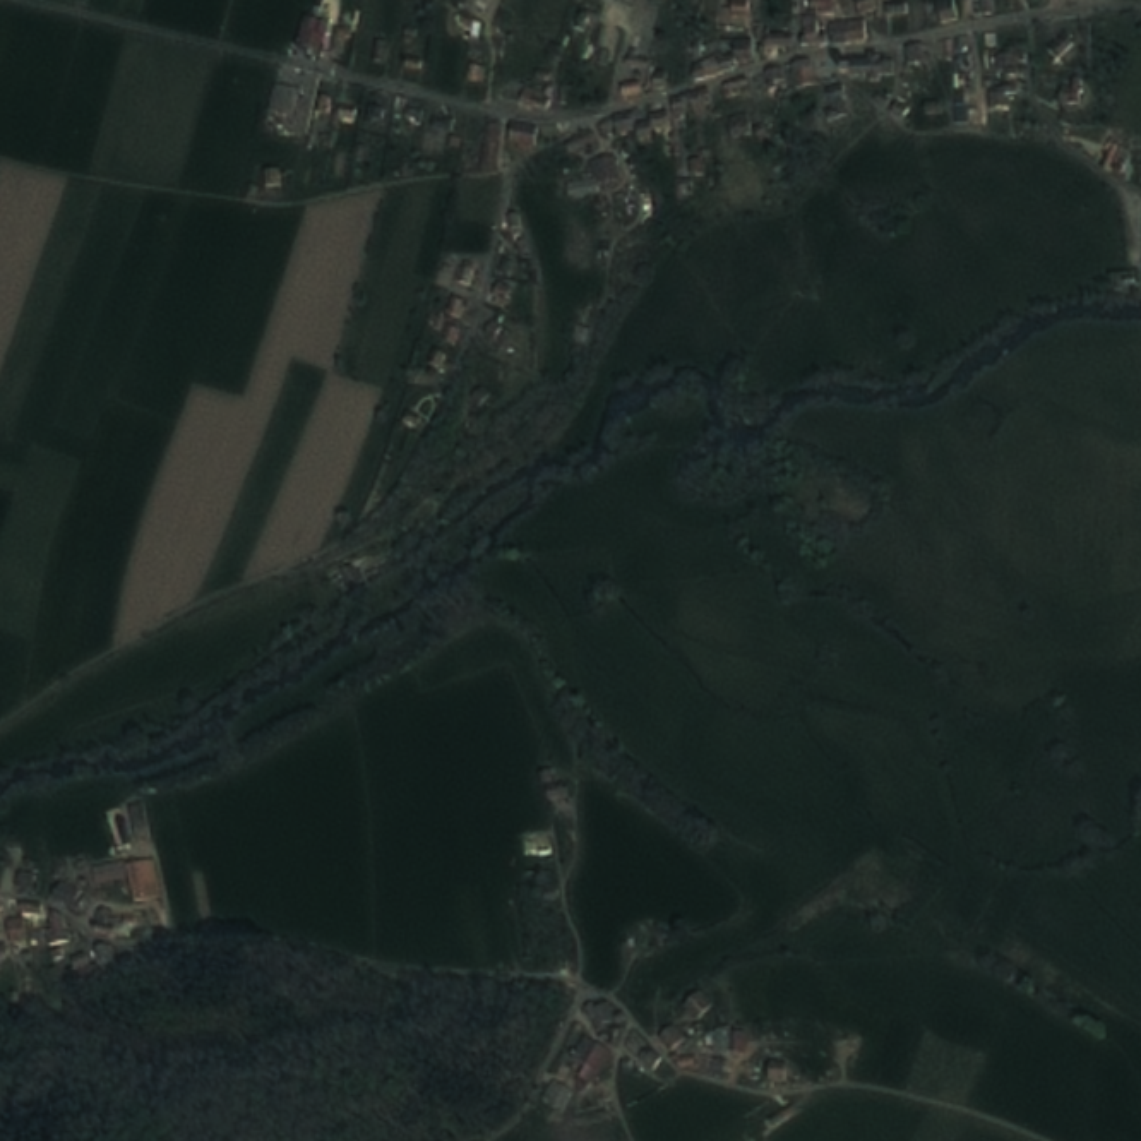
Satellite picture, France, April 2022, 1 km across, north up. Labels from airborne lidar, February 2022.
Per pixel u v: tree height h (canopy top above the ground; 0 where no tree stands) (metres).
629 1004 0
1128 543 0
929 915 0
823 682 0
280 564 0
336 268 0
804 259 0
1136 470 0
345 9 0
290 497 0
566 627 0
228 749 36
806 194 15
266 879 0
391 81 0
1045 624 0
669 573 0
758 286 0
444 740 0
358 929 0
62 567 0
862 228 0
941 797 0
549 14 0
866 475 9
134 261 0
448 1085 23
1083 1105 0
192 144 0
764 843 0
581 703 16
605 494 0
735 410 18
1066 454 0
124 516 0
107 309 0
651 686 0
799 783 0
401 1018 11
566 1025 0
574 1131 0
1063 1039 0
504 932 0
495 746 0
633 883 0
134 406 0
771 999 0
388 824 0
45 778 17
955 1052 0
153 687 0
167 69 0
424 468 16
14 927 0
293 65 0
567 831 0
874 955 0
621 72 0
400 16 0
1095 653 0
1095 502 0
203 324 0
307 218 0
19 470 0
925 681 0
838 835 0
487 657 0
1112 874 0
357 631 19
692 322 0
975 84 0
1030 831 0
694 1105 0
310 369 0
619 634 0
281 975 21
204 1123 30
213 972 22
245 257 0
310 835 0
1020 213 0
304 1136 29
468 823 0
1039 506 0
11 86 0
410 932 0
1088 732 0
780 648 0
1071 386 0
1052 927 0
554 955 0
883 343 0
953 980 0
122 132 0
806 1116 0
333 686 9
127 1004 17
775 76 0
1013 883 0
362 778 0
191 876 0
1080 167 0
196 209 0
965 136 0
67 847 0
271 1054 11
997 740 0
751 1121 0
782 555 0
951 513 0
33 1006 18
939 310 0
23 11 0
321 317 0
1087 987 0
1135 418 0
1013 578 0
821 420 0
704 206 0
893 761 0
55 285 0
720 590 0
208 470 0
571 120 0
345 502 0
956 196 0
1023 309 0
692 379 7
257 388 0
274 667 14
